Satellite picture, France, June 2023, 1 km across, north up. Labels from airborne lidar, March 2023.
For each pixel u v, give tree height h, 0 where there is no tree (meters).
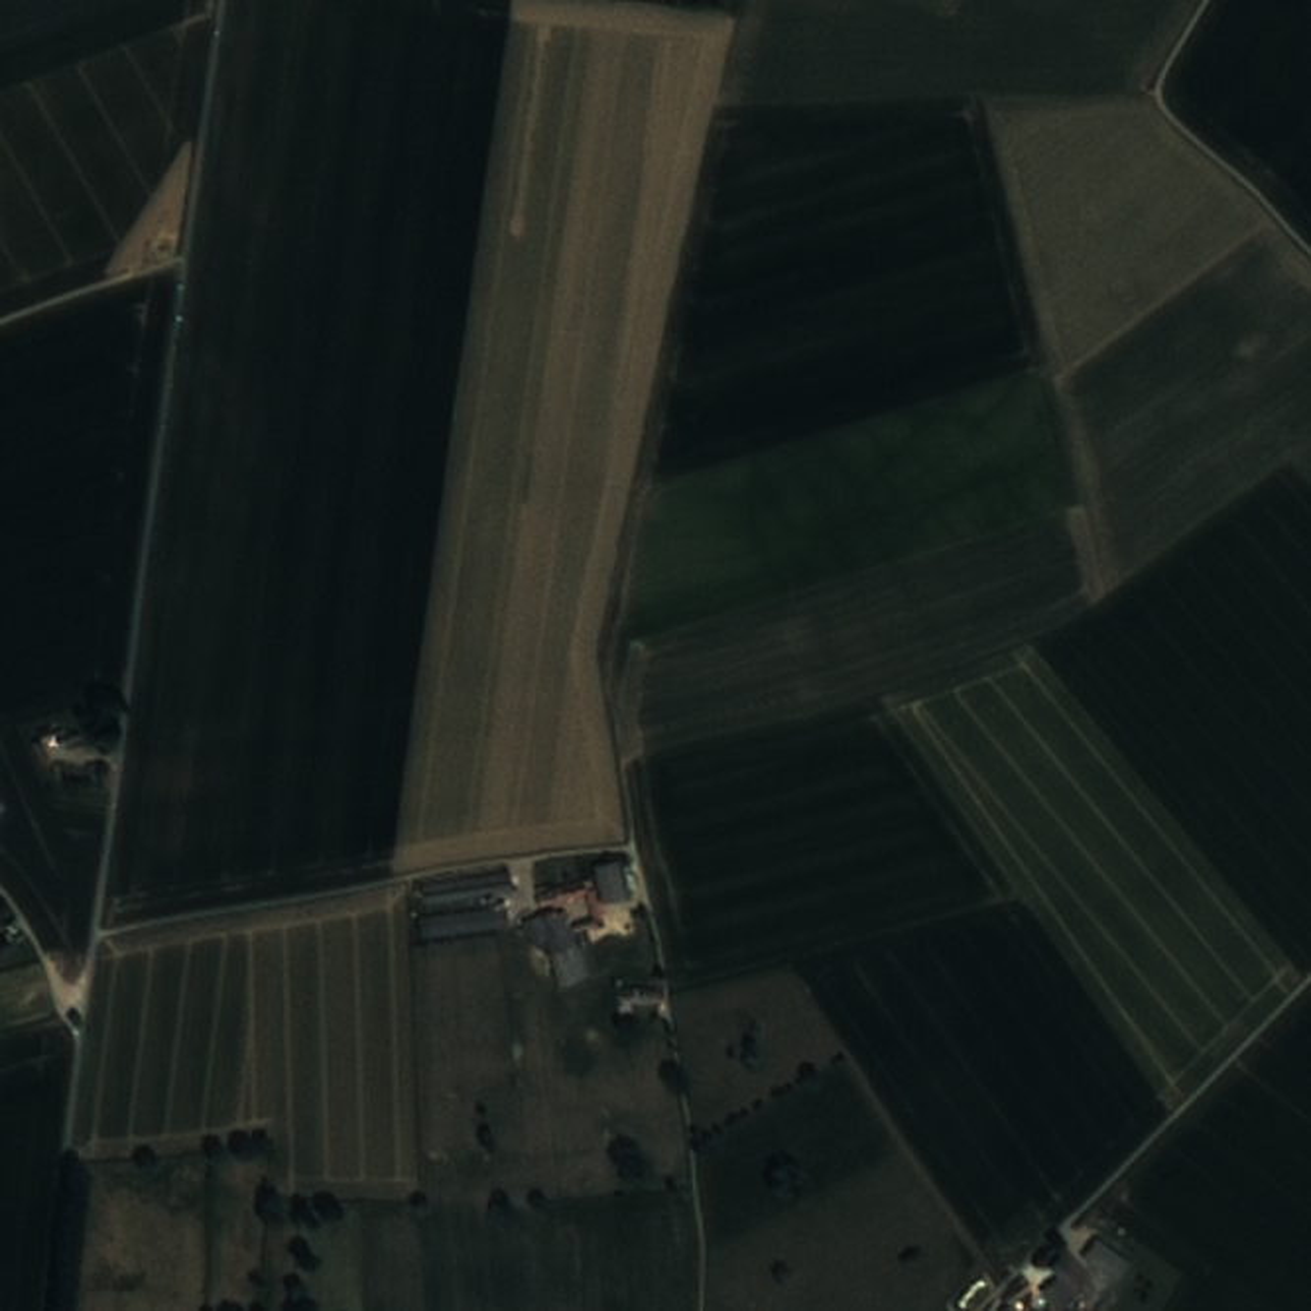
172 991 0
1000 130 0
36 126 0
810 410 0
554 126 0
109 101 0
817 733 0
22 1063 0
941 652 0
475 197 0
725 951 0
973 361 0
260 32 0
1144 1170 0
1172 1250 0
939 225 0
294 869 0
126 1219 0
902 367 0
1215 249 0
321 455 0
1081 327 0
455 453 0
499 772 0
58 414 0
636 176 0
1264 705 0
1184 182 0
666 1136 0
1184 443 0
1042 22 0
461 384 0
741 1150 0
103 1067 0
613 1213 0
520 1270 0
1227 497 0
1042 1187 0
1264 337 0
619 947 0
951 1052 0
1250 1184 0
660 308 0
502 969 0
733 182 0
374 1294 0
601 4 0
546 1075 0
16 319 0
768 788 0
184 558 0
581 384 0
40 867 0
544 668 0
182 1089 0
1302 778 0
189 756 0
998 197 0
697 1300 0
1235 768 0
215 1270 0
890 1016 0
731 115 0
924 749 0
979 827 0
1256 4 0
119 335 0
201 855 0
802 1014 0
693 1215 0
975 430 0
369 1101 0
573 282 0
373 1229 0
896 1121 0
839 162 0
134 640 0
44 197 0
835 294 0
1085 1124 0
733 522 0
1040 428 0
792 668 0
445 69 0
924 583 0
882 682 0
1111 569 0
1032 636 0
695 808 0
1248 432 0
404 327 0
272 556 0
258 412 0
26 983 0
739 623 0
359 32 0
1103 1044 0
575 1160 0
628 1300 0
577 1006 0
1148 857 0
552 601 0
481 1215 0
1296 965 0
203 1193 0
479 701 0
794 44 0
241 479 0
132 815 0
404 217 0
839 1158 0
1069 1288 0
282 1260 0
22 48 0
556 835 0
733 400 0
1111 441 0
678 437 0
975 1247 0
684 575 0
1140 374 0
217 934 0
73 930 0
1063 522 0
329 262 0
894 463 0
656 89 0
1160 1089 0
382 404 0
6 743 0
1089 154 0
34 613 0
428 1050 0
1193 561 0
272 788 0
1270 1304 0
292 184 0
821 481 0
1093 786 0
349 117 0
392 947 0
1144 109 0
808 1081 12
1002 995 0
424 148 0
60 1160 0
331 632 0
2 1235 0
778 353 0
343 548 0
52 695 0
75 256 0
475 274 0
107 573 0
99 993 0
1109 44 0
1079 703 0
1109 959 0
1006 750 0
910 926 0
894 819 0
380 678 0
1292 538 0
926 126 0
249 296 0
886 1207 0
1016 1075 0
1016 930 0
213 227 0
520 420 0
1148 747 0
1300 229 0
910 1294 0
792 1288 0
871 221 0
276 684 0
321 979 0
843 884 0
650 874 0
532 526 0
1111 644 0
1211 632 0
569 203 0
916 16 0
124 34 0
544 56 0
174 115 0
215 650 0
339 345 0
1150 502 0
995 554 0
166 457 0
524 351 0
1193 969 0
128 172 0
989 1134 0
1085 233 0
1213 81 0
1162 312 0
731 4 0
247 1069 0
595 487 0
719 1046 0
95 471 0
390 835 0
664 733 0
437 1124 0
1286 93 0
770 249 0
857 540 0
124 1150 0
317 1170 0
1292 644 0
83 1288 0
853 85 0
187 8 0
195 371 0
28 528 0
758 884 0
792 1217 0
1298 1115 0
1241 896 0
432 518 0
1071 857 0
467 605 0
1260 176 0
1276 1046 0
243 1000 0
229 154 0
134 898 0
